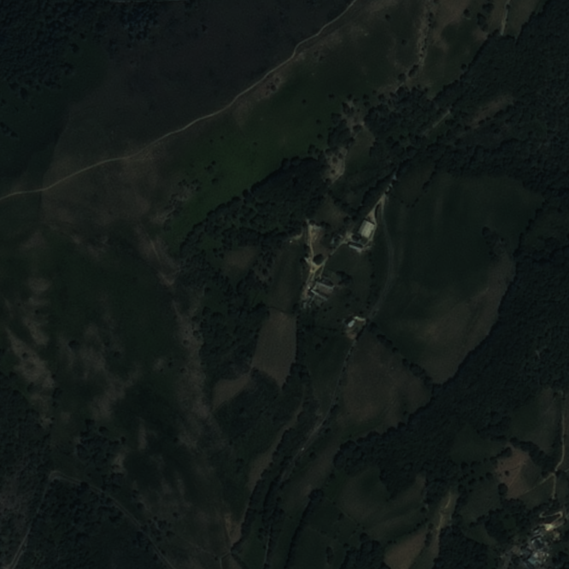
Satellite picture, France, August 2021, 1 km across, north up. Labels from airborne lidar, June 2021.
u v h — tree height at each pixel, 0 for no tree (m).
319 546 0
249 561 0
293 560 13
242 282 9
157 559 13
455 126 12
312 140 0
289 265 0
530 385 23
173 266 0
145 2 6
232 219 19
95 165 0
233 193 0
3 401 19
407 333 0
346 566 17
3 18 17
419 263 0
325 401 0
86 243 0
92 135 0
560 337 19
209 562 0
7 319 0
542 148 8
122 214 0
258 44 0
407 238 0
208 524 0
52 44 17
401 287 0
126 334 0
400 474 19
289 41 0
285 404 0
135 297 0
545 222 0
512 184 0
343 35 0
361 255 0
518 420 0
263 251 10
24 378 0
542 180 25
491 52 18
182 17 0
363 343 0
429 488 21
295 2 0
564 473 9
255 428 0
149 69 0
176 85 0
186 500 0
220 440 0
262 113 0
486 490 0
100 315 0
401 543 0
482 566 26
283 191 19
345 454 23
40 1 16
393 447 19
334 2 0
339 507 0
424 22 0
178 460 0
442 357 0
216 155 0
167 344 0
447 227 0
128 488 0
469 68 11
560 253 24
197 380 0
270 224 16
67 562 21
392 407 0
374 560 24
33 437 14
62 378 0
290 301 0
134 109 0
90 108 0
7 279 0
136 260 0
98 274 0
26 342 0
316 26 0
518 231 0
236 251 0
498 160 21
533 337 15
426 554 0
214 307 0
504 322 17
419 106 24
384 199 0
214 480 0
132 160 0
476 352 12
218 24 0
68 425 0
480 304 0
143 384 0
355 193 0
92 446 14
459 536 23
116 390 0
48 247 0
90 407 0
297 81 0
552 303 22
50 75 14
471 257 0
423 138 16
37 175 0
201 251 9
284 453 14
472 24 0
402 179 8
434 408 16
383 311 0
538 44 17
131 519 0
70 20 14
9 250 0
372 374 0
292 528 0
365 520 0
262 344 0
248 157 0
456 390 18
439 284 0
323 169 13
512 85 20
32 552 7
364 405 0
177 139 0
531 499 0
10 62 21
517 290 21
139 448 0
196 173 0
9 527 11
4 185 0
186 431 0
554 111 13
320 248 0
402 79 13
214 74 0
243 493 0
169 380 0
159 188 0
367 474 0
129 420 0
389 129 24
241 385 0
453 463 22
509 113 15
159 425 0
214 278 9
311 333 12
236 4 0
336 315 0
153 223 0
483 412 18
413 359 0
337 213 0
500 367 24
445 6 0
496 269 0
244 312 19
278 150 0
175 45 0
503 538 25
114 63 0
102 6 13
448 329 0
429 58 0
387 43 0
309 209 17
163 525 11
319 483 0
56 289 0
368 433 0
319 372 0
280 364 0
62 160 0
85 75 0
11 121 0
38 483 10
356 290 0
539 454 12
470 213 0
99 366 0
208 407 0
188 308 0
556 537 8
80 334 0
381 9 0
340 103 0
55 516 17
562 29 20
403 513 0
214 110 0
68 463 0
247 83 0
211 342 17
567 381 19
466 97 25
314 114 0
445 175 0
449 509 0
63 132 0
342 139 22
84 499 25
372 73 0
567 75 13
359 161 0
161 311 0
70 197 0
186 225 0
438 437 21
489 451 0
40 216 0
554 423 0
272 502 17
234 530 0
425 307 0
